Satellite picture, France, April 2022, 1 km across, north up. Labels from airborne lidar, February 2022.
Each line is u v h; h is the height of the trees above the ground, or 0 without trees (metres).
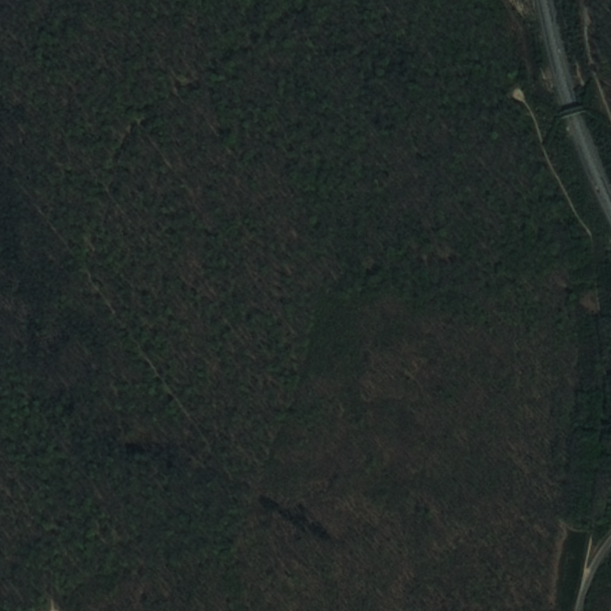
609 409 23
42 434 0
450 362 0
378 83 30
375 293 22
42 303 25
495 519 0
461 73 30
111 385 0
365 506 0
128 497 30
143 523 31
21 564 29
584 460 31
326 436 0
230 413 21
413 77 11
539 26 0
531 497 0
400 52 10
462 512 0
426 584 14
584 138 0
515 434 0
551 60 0
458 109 33
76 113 25
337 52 6
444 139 30
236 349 0
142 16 0
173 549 0
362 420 0
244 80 0
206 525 0
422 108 30
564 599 0
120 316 26
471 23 0
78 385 33
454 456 19
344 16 8
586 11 0
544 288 0
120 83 0
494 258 26
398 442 0
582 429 20
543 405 0
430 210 0
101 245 26
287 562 0
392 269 27
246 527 0
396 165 32
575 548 0
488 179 28
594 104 0
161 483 0
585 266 22
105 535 0
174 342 0
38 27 0
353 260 27
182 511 0
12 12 27
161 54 0
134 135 8
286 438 0
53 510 0
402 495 13
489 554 0
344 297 26
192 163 28
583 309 18
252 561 0
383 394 17
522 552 0
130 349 30
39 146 22
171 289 0
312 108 0
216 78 28
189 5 0
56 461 0
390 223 30
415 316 0
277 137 0
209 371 24
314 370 0
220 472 33
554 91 0
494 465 0
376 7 0
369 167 0
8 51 0
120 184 26
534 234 29
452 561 0
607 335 26
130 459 12
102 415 31
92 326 23
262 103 32
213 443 29
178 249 0
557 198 9
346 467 0
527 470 0
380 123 10
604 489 30
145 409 25
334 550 0
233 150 0
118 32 0
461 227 27
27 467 0
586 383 15
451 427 0
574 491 29
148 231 0
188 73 0
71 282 24
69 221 27
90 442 9
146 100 26
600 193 0
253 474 0
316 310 24
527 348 0
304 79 0
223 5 0
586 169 0
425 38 0
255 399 0
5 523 0
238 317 0
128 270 25
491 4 18
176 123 29
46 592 27
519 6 0
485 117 30
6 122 19
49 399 29
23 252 26
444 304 23
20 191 0
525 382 0
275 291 28
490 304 24
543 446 0
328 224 25
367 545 0
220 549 0
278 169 0
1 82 28
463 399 0
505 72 24
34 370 31
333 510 0
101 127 0
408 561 0
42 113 22
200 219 28
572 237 28
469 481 0
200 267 0
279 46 32
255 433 0
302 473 0
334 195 0
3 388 0
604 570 9
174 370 0
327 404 0
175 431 28
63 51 33
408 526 0
